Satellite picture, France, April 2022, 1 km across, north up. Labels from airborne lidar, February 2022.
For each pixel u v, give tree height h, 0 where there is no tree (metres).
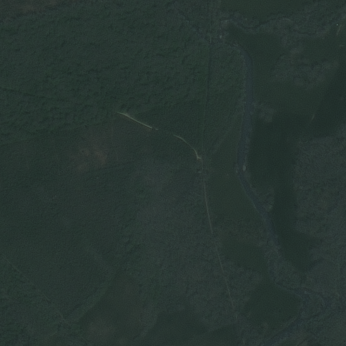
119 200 8
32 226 13
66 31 26
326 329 18
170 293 16
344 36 0
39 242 11
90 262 13
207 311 22
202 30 25
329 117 0
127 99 25
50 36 20
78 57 23
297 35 24
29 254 11
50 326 22
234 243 0
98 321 0
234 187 0
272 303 0
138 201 8
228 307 21
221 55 23
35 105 25
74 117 9
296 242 0
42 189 18
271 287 0
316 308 13
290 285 10
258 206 0
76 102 24
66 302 13
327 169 28
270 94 0
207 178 19
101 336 0
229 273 28
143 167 19
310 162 24
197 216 17
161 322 0
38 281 15
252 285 22
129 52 28
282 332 0
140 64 29
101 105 20
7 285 25
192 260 18
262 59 0
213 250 29
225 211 0
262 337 12
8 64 28
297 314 0
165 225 25
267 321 0
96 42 28
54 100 18
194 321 0
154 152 7
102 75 26
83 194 7
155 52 27
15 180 7
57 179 8
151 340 0
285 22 12
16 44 28
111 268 18
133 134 6
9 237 12
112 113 16
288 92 0
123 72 25
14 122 11
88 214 7
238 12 13
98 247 10
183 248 24
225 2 0
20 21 28
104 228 8
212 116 7
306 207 28
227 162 0
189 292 20
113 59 23
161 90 23
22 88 26
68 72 13
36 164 6
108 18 29
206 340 0
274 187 0
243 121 0
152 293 26
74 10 29
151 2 24
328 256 27
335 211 27
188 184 8
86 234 9
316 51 0
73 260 11
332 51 0
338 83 0
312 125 0
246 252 0
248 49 0
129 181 13
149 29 30
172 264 22
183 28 12
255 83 0
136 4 29
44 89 17
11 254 11
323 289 28
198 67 21
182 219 24
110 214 9
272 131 0
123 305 0
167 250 21
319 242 0
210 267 24
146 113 9
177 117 10
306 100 0
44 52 23
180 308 16
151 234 23
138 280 18
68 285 12
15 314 21
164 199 24
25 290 28
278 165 0
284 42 20
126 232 21
